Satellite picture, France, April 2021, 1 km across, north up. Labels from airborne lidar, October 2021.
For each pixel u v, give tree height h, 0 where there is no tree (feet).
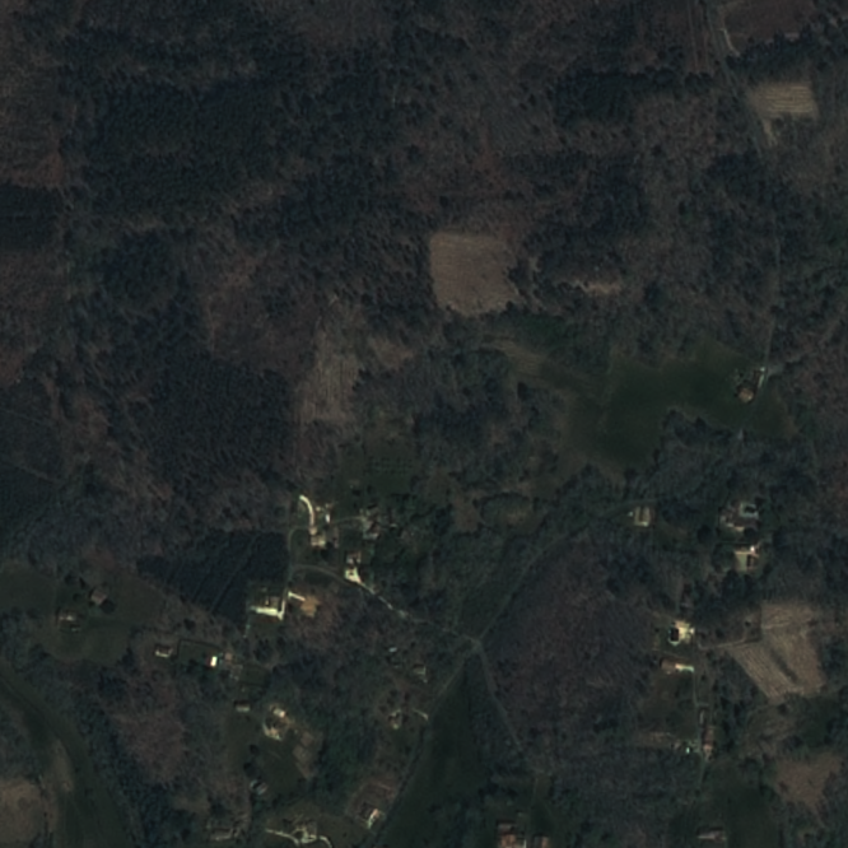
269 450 65
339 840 0
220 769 61
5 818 0
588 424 0
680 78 40
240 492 42
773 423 0
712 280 67
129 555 44
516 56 24
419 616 81
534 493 0
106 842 0
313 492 58
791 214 82
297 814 0
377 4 25
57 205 46
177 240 44
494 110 53
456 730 0
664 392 0
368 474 21
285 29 19
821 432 50
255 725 0
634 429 0
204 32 24
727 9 46
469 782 0
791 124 47
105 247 65
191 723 77
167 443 64
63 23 89
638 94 54
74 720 62
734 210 41
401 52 77
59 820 0
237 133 96
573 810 43
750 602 86
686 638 0
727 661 39
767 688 0
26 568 52
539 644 20
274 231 27
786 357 27
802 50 57
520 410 35
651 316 56
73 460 25
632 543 51
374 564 25
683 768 48
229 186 86
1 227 40
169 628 31
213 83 30
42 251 33
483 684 26
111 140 91
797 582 60
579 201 29
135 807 40
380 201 30
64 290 31
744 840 0
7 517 39
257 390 68
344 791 74
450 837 24
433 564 50
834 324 54
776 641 0
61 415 22
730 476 51
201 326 69
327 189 73
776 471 82
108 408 25
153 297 85
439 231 51
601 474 45
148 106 73
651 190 55
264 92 70
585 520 48
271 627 31
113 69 78
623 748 45
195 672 53
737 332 59
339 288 41
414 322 77
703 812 0
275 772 0
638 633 52
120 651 0
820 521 46
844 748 70
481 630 27
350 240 22
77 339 44
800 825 77
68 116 18
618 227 83
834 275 52
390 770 49
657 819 39
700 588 42
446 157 23
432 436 82
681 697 36
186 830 48
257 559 45
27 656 53
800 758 83
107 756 25
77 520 49
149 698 59
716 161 38
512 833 26
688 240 34
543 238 34
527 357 0
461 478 33
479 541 51
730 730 35
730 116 36
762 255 53
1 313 20
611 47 19
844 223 74
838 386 49
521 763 41
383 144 79
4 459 23
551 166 28
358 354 0
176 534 57
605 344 41
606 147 31
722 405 0
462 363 52
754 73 89
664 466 43
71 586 29
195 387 69
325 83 37
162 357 54
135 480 57
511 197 23
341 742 68
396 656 31
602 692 22
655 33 22
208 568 37
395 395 48
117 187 80
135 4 23
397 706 55
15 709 0
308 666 39
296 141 84
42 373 20
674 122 24
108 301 94
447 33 38
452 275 0
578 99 57
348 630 60
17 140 20
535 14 43
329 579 0
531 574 20
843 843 73
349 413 51
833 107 43
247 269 0
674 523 67
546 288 80
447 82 46
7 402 23
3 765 62
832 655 60
